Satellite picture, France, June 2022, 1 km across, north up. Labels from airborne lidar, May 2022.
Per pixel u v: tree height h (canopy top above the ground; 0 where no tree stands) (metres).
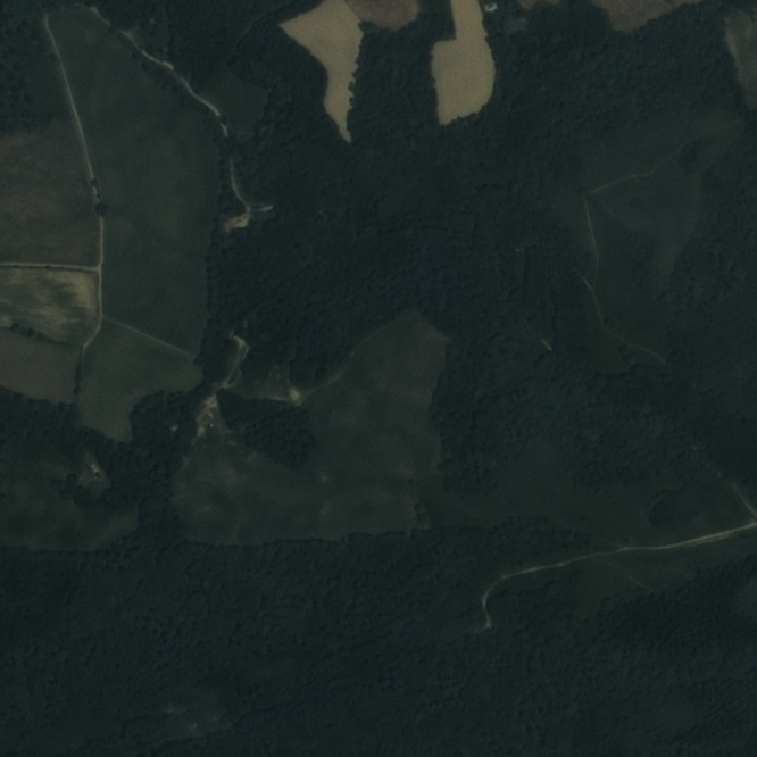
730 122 0
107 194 0
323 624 25
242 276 21
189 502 0
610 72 18
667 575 0
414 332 0
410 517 0
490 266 14
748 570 10
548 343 0
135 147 0
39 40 24
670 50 19
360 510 0
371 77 15
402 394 0
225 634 26
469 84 0
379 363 0
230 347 24
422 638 13
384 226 16
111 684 27
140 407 15
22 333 8
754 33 0
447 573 15
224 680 6
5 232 0
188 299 0
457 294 17
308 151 27
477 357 22
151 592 28
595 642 14
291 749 18
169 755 18
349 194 21
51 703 25
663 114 6
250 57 24
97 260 0
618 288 0
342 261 21
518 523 7
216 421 0
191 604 30
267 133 25
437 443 0
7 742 22
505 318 24
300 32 0
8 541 0
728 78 10
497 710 7
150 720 20
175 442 20
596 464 13
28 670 28
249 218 0
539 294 23
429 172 27
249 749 16
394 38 12
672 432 6
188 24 19
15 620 10
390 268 15
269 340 16
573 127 9
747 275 11
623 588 0
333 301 11
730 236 23
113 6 24
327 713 30
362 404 0
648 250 8
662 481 0
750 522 0
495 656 8
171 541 9
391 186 24
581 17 10
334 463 0
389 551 22
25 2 20
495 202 20
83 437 17
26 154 0
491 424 24
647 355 0
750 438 19
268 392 0
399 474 0
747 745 15
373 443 0
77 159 0
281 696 7
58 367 0
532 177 11
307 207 24
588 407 20
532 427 8
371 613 19
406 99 17
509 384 9
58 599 18
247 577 17
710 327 6
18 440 23
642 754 13
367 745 18
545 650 19
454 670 13
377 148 13
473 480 16
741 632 11
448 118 0
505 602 19
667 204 0
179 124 0
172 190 0
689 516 0
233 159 21
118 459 19
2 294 0
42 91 0
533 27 13
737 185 19
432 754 18
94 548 0
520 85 26
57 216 0
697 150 6
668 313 9
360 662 14
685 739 16
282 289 23
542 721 29
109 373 0
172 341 0
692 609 11
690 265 10
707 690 14
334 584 18
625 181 0
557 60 22
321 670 12
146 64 13
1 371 0
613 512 0
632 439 6
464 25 0
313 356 20
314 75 20
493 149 18
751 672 12
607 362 0
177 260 0
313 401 0
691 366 15
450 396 17
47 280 0
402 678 26
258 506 0
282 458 11
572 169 10
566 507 0
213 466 0
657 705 6
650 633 14
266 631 29
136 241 0
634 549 0
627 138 0
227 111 0
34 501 0
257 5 14
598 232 0
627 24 0
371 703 20
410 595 15
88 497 14
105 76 0
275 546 12
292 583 15
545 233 13
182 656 29
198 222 0
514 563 8
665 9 0
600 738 8
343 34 0
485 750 19
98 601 24
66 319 0
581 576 12
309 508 0
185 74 19
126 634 23
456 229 15
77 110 0
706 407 21
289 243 20
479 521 0
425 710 21
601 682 21
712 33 17
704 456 18
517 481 0
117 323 0
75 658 27
